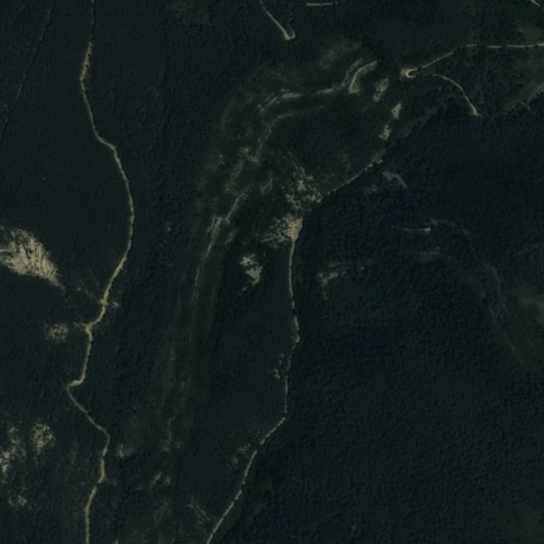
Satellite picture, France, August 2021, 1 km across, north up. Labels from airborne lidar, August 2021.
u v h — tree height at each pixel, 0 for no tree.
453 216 15
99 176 16
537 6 10
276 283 16
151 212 12
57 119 14
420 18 19
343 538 13
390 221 6
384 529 14
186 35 13
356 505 12
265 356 15
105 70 11
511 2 9
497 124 9
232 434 10
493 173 16
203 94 18
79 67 9
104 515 10
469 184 14
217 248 16
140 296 15
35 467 6
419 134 20
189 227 9
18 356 15
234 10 10
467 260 13
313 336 19
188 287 9
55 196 17
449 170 16
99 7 13
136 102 11
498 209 6
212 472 12
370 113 8
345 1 13
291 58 15
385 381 13
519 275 12
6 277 10
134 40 11
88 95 12
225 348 20
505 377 9
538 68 0
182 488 11
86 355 9
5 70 14
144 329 15
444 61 9
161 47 14
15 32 13
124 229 10
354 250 12
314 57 13
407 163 8
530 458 14
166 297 14
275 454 21
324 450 18
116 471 7
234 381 20
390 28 13
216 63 15
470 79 15
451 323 20
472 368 16
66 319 7
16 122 12
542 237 7
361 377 12
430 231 11
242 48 16
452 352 13
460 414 16
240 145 8
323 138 16
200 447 17
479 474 10
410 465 15
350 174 11
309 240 20
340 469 16
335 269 7
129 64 9
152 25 14
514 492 13
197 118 18
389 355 18
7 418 6
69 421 13
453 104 14
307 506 17
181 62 17
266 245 9
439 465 14
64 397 9
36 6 15
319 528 13
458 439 11
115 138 15
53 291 13
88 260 13
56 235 14
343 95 7
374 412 17
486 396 16
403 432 16
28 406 8
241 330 14
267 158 7
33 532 6
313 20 15
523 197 12
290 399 11
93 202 14
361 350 22
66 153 12
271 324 18
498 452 15
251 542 19
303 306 16
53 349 8
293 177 6
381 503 12
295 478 14
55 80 14
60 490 7
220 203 7
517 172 20
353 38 14
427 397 15
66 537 7
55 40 15
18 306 13
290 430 20
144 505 10
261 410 11
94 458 9
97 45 12
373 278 9
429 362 14
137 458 15
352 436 19
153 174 12
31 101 13
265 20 15
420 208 15
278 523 15
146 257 13
